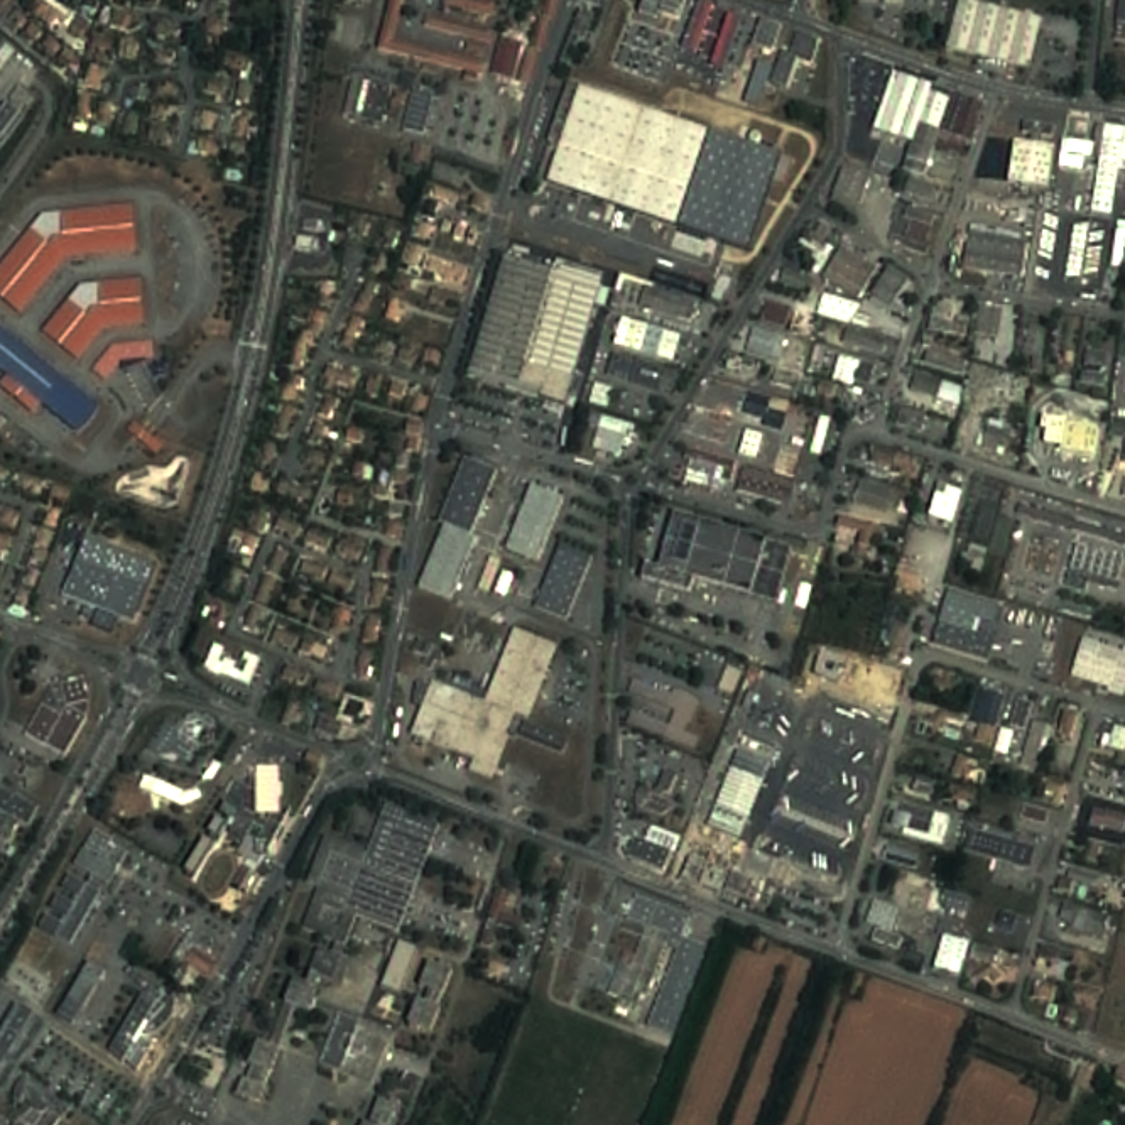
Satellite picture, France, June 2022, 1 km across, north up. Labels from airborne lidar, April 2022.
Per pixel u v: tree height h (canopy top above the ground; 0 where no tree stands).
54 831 0
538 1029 0
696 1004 11
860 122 0
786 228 0
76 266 0
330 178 0
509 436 0
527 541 0
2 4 0
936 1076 0
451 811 11
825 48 0
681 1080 10
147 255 0
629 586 0
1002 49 0
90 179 0
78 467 0
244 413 0
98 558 0
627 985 0
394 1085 11
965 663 0
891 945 0
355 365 0
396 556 7
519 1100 0
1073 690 0
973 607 0
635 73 0
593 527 6
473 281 0
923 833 0
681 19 0
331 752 0
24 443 0
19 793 0
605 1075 0
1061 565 0
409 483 8
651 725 0
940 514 0
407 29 0
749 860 0
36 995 0
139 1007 0
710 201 0
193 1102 0
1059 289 0
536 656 0
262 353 0
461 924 0
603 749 9
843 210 9
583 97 0
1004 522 0
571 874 0
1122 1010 0
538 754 0
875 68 0
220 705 0
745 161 0
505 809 0
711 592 0
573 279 0
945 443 7
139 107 8
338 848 0
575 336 0
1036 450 0
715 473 0
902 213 0
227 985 8
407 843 0
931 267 0
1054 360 8
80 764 0
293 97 0
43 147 0
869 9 0
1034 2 0
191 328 0
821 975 14
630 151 0
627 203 0
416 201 8
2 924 0
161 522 0
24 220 0
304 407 0
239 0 6
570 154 0
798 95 0
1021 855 0
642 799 0
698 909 0
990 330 0
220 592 15
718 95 0
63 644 0
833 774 0
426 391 9
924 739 0
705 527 0
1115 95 7
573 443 10
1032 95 0
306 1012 11
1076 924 0
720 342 0
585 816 0
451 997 0
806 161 0
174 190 0
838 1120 0
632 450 0
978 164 0
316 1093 0
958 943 0
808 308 0
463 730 0
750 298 0
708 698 0
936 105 0
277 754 0
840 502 6
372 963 0
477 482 0
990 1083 0
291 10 0
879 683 0
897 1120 0
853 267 0
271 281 0
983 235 0
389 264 12
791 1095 8
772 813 0
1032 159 0
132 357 0
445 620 0
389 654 0
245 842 0
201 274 0
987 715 0
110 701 0
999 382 0
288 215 0
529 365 0
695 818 0
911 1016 0
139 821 6
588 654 0
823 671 0
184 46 11
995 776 10
